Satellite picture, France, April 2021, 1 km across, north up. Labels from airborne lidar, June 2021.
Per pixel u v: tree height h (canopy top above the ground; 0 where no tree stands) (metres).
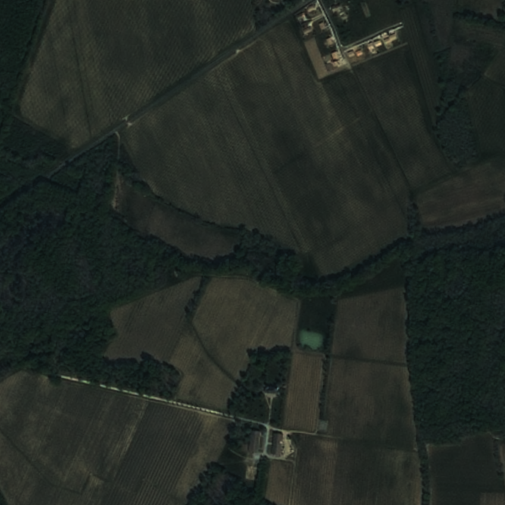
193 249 0
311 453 0
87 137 0
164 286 12
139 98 0
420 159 0
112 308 14
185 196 0
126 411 0
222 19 0
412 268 24
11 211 19
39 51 0
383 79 0
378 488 0
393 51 0
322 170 0
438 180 0
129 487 0
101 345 13
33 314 17
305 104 0
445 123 20
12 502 0
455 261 23
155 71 0
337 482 0
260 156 0
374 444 0
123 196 0
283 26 0
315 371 0
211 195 0
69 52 0
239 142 0
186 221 0
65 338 21
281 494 0
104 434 0
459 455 0
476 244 13
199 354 0
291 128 0
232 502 17
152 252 17
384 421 0
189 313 18
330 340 13
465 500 0
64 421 0
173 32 0
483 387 19
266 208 0
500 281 25
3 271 15
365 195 0
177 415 0
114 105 0
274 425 13
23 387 0
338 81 0
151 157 0
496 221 20
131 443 0
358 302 0
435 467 0
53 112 0
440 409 23
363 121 0
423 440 15
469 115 15
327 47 0
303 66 0
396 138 0
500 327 20
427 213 0
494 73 0
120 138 0
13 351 20
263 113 0
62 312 23
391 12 0
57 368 18
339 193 0
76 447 0
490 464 0
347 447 0
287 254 14
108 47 0
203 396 0
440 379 20
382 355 0
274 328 0
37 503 0
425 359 20
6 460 0
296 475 0
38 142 5
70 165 15
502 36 0
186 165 0
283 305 0
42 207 15
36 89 0
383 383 0
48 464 0
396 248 15
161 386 18
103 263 18
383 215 0
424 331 21
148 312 0
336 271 0
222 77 0
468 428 19
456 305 26
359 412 0
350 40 6
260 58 0
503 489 0
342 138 0
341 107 0
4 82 12
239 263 22
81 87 0
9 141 6
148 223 0
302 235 0
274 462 0
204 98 0
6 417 0
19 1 14
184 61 0
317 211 0
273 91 0
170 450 0
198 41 0
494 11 0
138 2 0
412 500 0
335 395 0
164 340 0
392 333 0
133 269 22
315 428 0
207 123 0
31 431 0
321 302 0
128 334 0
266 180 0
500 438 9
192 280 0
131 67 0
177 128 0
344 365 0
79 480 0
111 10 0
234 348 0
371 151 0
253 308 0
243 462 0
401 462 0
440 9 0
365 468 0
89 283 23
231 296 0
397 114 0
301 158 0
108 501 0
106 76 0
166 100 0
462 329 22
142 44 0
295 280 21
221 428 0
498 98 0
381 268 19
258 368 13
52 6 0
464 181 0
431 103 0
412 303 21
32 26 11
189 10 0
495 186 0
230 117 0
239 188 0
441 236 23
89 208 22
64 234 18
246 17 0
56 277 22
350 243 0
